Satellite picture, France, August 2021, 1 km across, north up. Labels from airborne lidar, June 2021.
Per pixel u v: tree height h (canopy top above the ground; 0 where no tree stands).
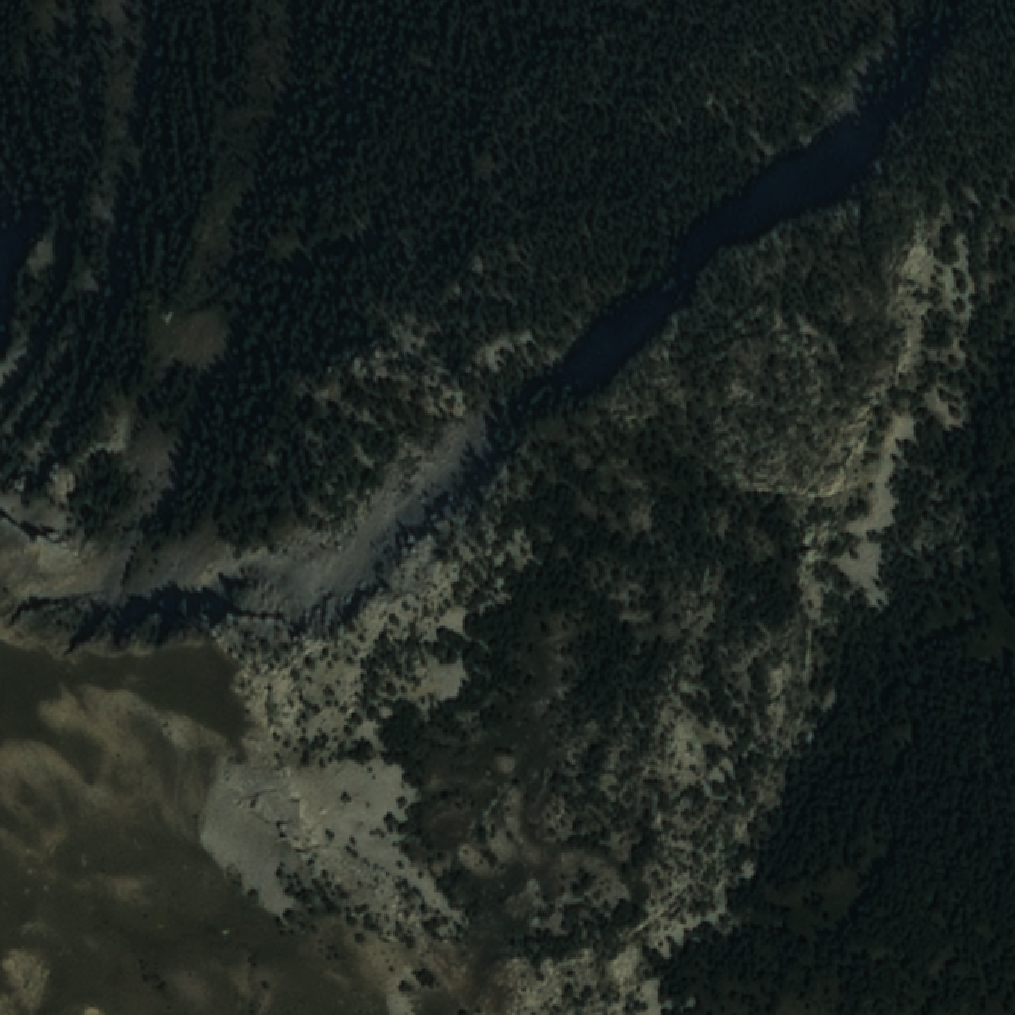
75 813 0
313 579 0
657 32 19
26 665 0
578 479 12
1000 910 22
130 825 0
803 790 20
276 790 0
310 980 0
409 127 26
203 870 0
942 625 0
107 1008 0
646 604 8
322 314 19
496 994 0
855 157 8
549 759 0
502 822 0
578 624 10
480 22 8
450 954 0
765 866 16
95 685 0
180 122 24
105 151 16
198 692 0
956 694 11
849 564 0
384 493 0
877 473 0
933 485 11
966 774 19
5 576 0
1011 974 20
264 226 13
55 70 7
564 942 8
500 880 0
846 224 7
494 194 15
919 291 8
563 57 18
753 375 0
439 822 0
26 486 8
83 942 0
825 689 12
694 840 9
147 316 10
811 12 15
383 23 22
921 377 14
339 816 0
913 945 16
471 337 12
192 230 16
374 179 12
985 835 19
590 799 6
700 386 8
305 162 26
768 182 0
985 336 21
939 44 8
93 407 12
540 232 15
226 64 17
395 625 9
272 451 16
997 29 19
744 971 10
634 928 7
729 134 16
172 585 0
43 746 0
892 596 12
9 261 15
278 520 16
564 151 18
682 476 16
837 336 19
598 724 6
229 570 0
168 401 10
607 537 16
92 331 12
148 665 0
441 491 0
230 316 11
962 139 14
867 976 12
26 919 0
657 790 7
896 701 23
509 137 15
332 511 11
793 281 9
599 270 20
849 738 13
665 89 14
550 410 8
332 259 24
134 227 21
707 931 16
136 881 0
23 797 0
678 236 7
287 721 0
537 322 16
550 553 14
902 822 16
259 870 0
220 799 0
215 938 0
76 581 0
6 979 0
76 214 10
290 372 17
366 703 10
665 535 9
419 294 13
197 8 26
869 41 23
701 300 6
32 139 25
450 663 9
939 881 19
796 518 0
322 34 29
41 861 0
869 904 15
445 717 8
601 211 21
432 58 17
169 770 0
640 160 12
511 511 9
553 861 0
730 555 16
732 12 19
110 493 20
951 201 8
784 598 14
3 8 33
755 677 9
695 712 9
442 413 12
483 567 9
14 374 0
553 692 0
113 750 0
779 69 14
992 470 22
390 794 0
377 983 0
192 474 17
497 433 15
